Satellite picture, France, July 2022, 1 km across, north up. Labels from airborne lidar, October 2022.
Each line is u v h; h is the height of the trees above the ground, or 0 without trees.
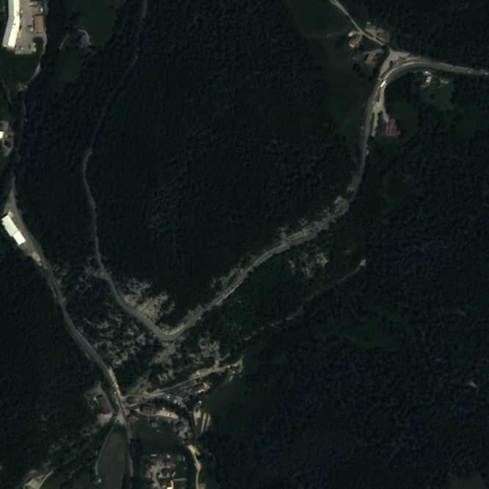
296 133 17
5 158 0
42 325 23
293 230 14
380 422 32
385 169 15
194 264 22
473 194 13
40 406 11
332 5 0
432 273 29
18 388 21
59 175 26
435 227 13
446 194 24
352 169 20
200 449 0
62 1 22
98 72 7
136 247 18
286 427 24
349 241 29
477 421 33
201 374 0
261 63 23
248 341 6
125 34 8
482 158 27
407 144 10
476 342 23
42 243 8
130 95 22
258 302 23
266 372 7
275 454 30
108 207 19
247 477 6
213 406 0
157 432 0
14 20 0
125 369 8
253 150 24
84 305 9
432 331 20
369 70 0
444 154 27
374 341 0
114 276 10
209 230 23
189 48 28
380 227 26
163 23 18
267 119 13
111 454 0
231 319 8
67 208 22
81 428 10
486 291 18
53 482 0
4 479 14
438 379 33
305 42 18
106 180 23
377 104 0
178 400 0
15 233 0
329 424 28
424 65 0
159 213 17
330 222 0
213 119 21
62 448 7
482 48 12
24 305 22
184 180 24
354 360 28
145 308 0
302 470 32
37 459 19
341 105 0
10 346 26
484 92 23
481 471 18
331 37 0
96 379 13
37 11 0
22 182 7
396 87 10
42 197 18
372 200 29
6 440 18
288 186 31
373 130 0
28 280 26
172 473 0
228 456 25
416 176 9
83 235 19
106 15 0
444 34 29
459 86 20
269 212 27
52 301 21
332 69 0
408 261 30
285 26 29
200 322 8
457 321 20
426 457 29
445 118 7
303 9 0
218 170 21
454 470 28
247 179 21
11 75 0
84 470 7
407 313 27
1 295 26
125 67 14
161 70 22
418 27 21
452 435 18
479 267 27
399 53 0
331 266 28
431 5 32
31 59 0
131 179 18
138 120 20
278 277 13
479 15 24
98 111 12
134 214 21
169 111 12
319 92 25
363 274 7
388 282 31
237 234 19
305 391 24
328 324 25
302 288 33
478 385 33
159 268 15
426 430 26
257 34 22
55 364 33
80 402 19
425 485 24
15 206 0
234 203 22
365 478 28
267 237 19
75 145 21
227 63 28
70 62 0
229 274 13
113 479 0
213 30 29
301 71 20
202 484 0
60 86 0
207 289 20
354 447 29
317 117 25
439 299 33
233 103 18
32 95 14
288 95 19
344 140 8
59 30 21
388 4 22
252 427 9
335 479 30
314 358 26
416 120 0
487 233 30
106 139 24
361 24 0
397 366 26
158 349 20
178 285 15
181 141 20
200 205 27
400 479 28
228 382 0
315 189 24
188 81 21
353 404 27
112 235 18
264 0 23
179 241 15
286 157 15
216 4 16
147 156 24
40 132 8
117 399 0
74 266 15
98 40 0
